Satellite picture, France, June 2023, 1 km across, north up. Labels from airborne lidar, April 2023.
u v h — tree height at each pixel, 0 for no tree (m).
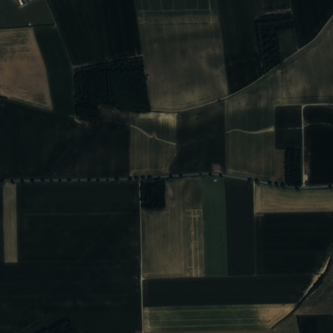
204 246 0
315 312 0
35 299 0
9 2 0
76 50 0
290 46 0
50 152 0
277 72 0
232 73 0
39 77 0
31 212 0
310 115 0
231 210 0
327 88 0
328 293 0
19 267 0
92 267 0
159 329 0
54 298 0
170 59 0
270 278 0
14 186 0
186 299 0
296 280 0
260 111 0
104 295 0
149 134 0
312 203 0
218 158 0
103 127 0
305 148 0
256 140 0
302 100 0
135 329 0
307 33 0
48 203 0
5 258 0
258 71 0
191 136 0
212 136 0
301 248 0
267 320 0
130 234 0
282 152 0
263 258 0
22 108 0
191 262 0
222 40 0
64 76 0
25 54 0
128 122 0
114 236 0
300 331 0
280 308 0
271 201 0
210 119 0
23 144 0
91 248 0
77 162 0
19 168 0
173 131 0
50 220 0
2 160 0
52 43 0
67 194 0
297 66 0
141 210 0
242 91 0
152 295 0
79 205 0
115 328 0
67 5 0
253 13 0
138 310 0
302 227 0
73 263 0
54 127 0
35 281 0
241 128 0
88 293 0
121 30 0
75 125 0
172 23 0
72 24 0
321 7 0
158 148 0
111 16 0
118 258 0
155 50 0
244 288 0
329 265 6
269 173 0
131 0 0
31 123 0
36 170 0
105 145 0
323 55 0
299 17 0
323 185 0
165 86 0
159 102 0
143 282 0
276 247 0
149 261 0
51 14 0
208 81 0
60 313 0
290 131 0
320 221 0
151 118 0
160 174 0
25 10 0
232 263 0
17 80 0
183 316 0
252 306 0
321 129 0
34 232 0
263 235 0
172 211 0
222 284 0
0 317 0
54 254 0
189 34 0
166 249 0
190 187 0
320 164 0
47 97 0
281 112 0
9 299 0
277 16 8
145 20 0
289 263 0
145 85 19
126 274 0
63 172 0
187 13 0
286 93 0
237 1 0
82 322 0
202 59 0
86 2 0
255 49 0
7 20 0
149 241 0
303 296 0
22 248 0
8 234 0
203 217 0
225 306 0
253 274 0
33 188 0
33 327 0
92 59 0
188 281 0
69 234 0
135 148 0
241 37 0
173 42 0
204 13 0
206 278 0
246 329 0
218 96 0
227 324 0
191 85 0
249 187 0
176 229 0
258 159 0
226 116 0
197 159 0
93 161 0
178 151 0
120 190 0
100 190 0
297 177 21
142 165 0
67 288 0
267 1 0
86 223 0
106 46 0
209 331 0
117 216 0
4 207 0
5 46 0
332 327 0
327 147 0
